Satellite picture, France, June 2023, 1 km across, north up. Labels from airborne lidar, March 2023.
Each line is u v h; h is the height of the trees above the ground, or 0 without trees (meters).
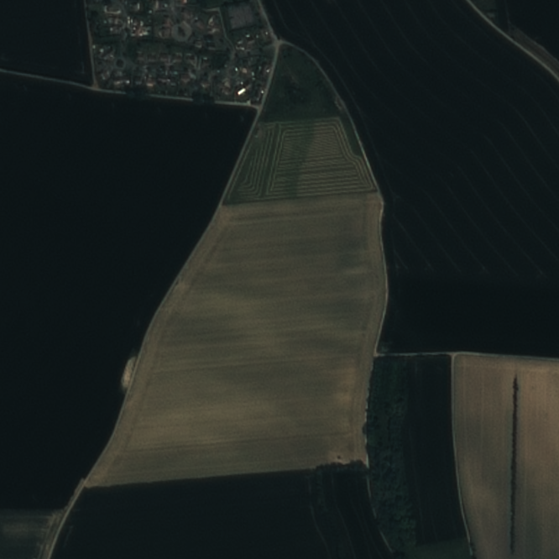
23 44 0
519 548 0
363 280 0
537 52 0
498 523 0
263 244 0
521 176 0
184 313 0
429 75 0
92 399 0
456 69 0
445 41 0
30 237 0
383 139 0
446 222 0
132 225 0
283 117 0
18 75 0
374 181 0
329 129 0
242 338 0
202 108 0
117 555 0
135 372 0
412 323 0
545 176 0
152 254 0
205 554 0
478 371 0
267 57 0
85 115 0
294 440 0
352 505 0
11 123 0
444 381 0
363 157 0
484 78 0
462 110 0
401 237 0
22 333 0
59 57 0
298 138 0
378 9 0
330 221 0
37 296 0
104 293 0
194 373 0
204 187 0
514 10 0
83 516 0
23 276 0
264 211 0
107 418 0
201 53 7
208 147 0
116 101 0
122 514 0
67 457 0
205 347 0
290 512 0
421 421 0
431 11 0
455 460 0
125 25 0
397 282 0
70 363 0
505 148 0
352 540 0
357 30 0
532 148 0
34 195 0
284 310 0
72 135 0
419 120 0
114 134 0
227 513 0
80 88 0
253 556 0
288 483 0
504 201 0
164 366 0
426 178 0
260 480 0
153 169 0
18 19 0
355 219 0
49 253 0
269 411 0
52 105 0
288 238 0
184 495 0
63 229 0
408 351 0
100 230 0
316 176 0
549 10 0
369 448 11
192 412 0
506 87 0
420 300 0
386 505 9
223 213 0
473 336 0
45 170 0
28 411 0
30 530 0
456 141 0
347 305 0
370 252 0
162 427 0
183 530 0
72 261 0
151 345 0
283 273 0
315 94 0
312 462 0
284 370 0
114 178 0
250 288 0
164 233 0
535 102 0
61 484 0
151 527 0
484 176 0
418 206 0
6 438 0
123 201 0
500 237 0
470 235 0
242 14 0
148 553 0
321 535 0
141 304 0
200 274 0
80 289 0
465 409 0
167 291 0
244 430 0
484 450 0
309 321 0
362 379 0
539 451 0
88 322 0
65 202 0
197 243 0
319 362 0
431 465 0
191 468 0
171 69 7
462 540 0
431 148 0
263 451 0
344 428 0
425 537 0
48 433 0
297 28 0
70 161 0
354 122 0
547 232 0
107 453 0
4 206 0
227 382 0
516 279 0
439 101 0
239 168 0
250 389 0
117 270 0
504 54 0
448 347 0
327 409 0
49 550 0
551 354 0
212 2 0
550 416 0
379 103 0
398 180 0
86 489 0
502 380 0
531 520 0
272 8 0
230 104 0
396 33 0
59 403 0
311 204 0
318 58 0
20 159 0
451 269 0
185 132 0
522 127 0
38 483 0
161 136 0
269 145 0
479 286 0
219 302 0
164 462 0
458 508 0
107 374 0
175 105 0
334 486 0
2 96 0
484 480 0
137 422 0
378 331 0
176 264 0
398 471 17
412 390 0
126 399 0
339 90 0
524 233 0
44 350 0
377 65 0
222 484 0
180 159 0
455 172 0
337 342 0
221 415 0
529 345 0
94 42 0
